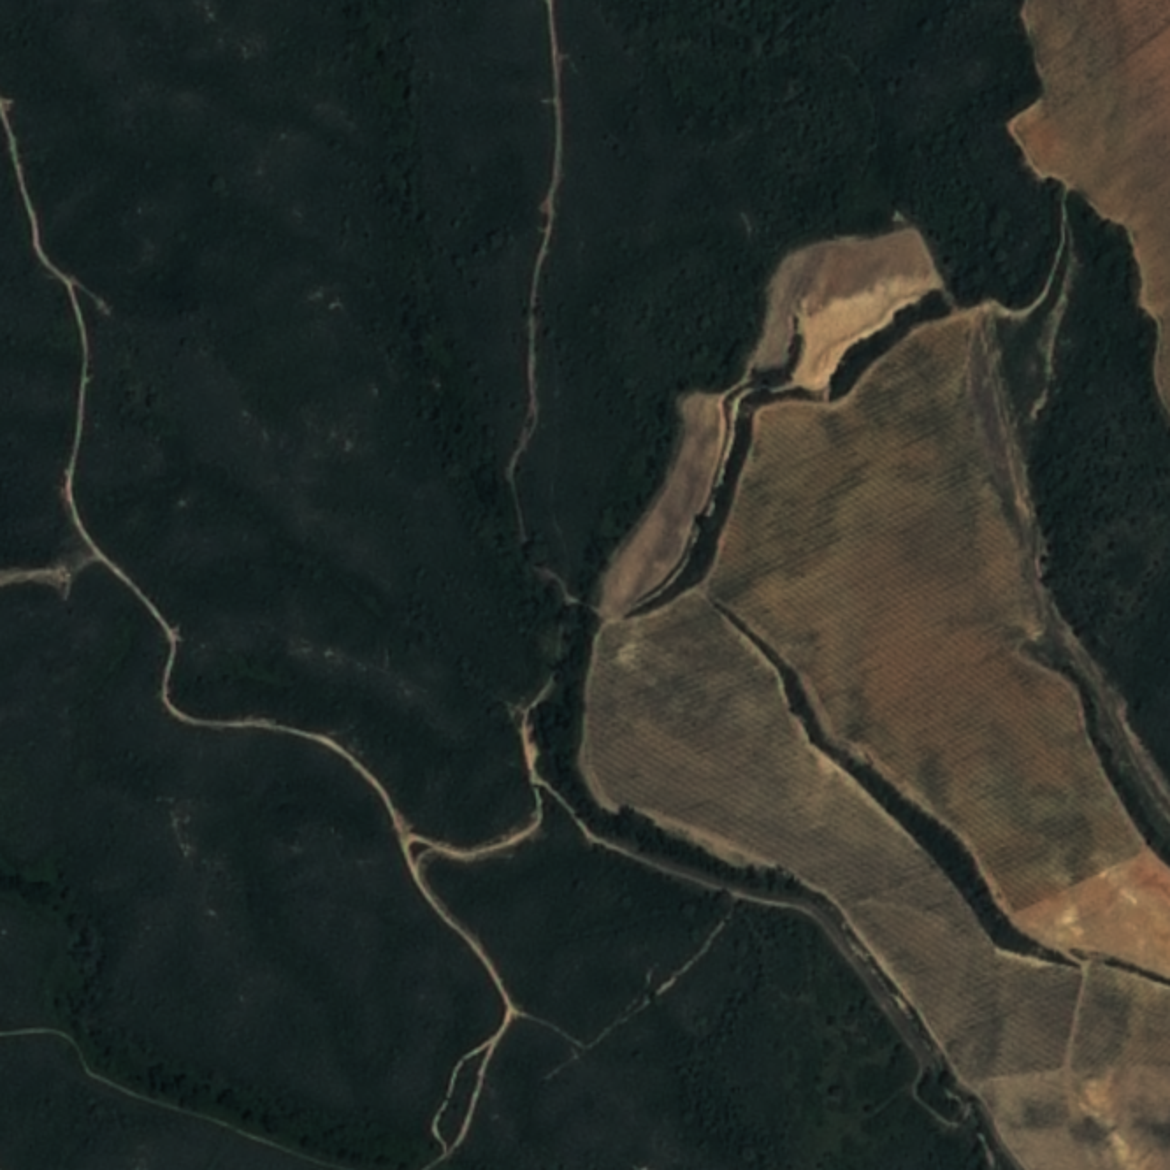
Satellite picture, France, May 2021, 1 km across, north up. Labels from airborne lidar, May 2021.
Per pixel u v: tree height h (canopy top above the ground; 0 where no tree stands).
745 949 9
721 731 0
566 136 0
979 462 0
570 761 15
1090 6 0
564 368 6
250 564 8
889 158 7
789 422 0
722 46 9
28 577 0
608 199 0
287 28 6
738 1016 7
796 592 0
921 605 0
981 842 0
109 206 5
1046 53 0
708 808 0
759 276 14
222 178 9
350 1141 6
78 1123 6
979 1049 0
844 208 14
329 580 7
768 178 7
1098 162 0
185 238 8
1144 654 9
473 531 8
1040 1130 0
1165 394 0
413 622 11
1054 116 0
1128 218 0
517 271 0
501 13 0
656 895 7
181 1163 0
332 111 0
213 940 0
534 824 0
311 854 0
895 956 0
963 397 0
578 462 0
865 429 0
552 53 0
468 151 0
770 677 0
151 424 9
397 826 0
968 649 0
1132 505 7
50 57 6
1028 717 0
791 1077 0
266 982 0
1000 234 8
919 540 0
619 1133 0
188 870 0
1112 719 0
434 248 7
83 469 0
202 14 0
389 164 8
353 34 11
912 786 0
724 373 6
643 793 0
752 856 0
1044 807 0
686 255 5
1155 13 0
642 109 8
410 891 0
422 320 18
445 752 8
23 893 17
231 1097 14
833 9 11
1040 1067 0
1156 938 0
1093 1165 0
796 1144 0
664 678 0
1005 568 0
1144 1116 0
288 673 7
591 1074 0
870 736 0
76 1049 8
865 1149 0
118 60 0
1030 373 0
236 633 0
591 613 20
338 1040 5
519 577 16
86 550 0
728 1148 7
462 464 9
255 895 7
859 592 0
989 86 6
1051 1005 0
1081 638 11
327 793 6
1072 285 0
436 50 0
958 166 7
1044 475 8
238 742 0
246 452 0
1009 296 6
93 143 6
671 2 8
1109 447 7
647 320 7
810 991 0
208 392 0
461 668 10
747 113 8
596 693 0
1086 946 0
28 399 0
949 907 0
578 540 0
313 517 0
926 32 9
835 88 6
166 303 6
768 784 0
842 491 0
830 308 0
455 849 0
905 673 0
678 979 0
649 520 0
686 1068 8
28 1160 5
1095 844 0
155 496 6
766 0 10
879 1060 0
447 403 11
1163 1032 0
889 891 0
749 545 0
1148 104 0
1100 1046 0
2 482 8
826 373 0
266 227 6
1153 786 0
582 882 8
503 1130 0
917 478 0
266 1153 0
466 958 0
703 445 0
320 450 0
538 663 5
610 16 7
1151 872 0
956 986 0
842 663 0
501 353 0
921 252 0
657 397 7
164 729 0
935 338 0
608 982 5
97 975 6
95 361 0
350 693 6
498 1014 0
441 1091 6
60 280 0
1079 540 7
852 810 0
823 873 0
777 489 0
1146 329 6
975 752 0
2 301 0
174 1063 5
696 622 0
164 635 0
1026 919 0
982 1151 12
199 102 0
